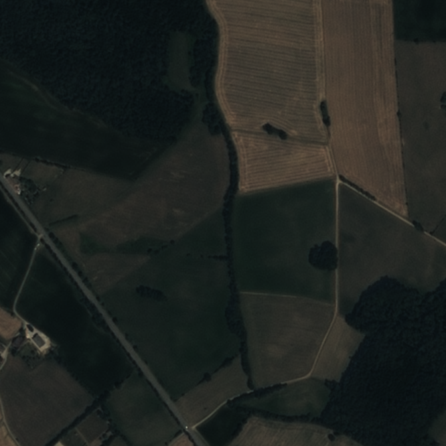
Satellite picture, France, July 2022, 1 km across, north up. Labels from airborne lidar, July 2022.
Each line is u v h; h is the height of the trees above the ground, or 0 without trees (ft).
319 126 0
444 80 0
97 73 91
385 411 91
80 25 95
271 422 0
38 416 0
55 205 0
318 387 0
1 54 58
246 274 0
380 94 0
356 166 0
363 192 43
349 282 0
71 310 0
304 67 0
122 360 0
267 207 0
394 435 108
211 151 0
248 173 0
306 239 0
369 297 74
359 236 0
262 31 0
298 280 0
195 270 0
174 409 0
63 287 0
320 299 0
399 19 0
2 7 80
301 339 0
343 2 0
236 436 24
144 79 102
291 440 0
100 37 71
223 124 55
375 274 0
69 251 0
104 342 0
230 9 0
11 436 0
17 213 0
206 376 39
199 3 46
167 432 0
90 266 0
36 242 0
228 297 0
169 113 84
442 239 0
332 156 0
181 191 0
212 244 0
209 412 0
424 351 87
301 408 0
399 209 0
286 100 0
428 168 0
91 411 38
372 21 0
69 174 0
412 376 51
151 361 0
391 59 0
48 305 0
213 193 0
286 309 0
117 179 0
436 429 0
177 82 0
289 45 0
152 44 84
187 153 0
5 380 0
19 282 0
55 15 63
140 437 0
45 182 0
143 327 0
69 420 0
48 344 0
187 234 0
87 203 0
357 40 0
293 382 0
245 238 0
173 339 0
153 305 0
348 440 0
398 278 0
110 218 0
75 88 89
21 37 66
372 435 74
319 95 0
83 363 0
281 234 0
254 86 0
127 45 86
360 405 96
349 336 0
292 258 0
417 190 0
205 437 0
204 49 70
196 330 0
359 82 0
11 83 0
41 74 72
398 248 0
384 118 0
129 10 60
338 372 0
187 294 0
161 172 0
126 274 0
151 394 0
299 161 0
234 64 0
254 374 0
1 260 0
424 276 0
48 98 0
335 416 84
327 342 0
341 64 0
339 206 0
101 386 0
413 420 95
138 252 0
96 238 0
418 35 0
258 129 0
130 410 0
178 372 0
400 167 0
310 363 0
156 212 0
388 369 66
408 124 0
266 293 0
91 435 0
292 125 0
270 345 0
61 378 0
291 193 0
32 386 0
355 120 0
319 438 0
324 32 0
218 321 0
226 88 0
